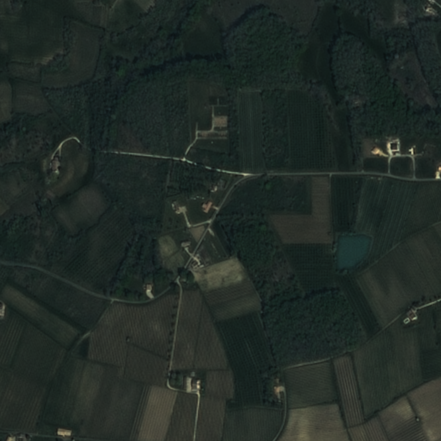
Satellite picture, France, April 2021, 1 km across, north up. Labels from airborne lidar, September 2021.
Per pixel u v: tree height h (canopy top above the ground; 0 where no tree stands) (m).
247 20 18
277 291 10
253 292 0
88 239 0
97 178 9
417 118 18
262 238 12
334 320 25
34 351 0
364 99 17
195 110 0
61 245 8
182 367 0
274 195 6
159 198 9
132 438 0
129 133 9
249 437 0
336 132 0
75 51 0
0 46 0
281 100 10
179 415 0
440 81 19
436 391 0
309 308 22
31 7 0
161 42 15
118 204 6
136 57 0
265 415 0
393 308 0
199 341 0
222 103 0
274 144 6
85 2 0
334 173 0
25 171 7
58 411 0
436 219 0
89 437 0
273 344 20
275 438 0
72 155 0
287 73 19
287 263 11
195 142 0
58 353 0
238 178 7
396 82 12
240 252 19
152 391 0
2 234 5
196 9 18
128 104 17
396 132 14
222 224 7
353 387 0
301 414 0
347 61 18
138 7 0
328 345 21
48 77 0
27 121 11
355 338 24
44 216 29
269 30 18
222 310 0
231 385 0
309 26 0
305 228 0
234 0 0
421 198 0
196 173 14
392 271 0
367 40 0
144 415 0
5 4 0
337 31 0
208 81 15
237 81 18
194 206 0
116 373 0
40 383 0
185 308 0
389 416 0
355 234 7
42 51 0
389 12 0
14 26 0
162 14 21
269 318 24
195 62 24
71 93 6
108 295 17
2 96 0
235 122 6
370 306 0
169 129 9
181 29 16
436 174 0
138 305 0
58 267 0
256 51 15
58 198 0
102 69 18
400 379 0
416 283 0
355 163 12
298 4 0
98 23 0
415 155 0
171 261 0
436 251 0
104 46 16
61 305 0
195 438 0
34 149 11
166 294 0
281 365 17
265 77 18
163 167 8
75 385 0
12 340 0
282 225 0
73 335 0
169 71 19
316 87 17
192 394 0
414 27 17
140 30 6
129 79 17
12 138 14
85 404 0
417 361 0
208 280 0
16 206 0
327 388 0
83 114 10
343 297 10
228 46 24
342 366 0
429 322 0
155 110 17
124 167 6
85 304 0
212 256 0
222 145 0
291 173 0
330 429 0
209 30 0
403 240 0
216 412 0
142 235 11
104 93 15
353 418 0
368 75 18
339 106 11
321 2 20
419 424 0
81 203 0
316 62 0
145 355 0
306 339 20
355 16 12
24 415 0
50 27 0
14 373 0
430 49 20
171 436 0
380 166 0
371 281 0
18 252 7
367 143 0
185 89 7
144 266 16
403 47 12
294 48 20
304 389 0
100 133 11
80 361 0
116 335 0
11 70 7
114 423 0
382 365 0
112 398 0
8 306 0
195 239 0
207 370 0
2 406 0
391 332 0
